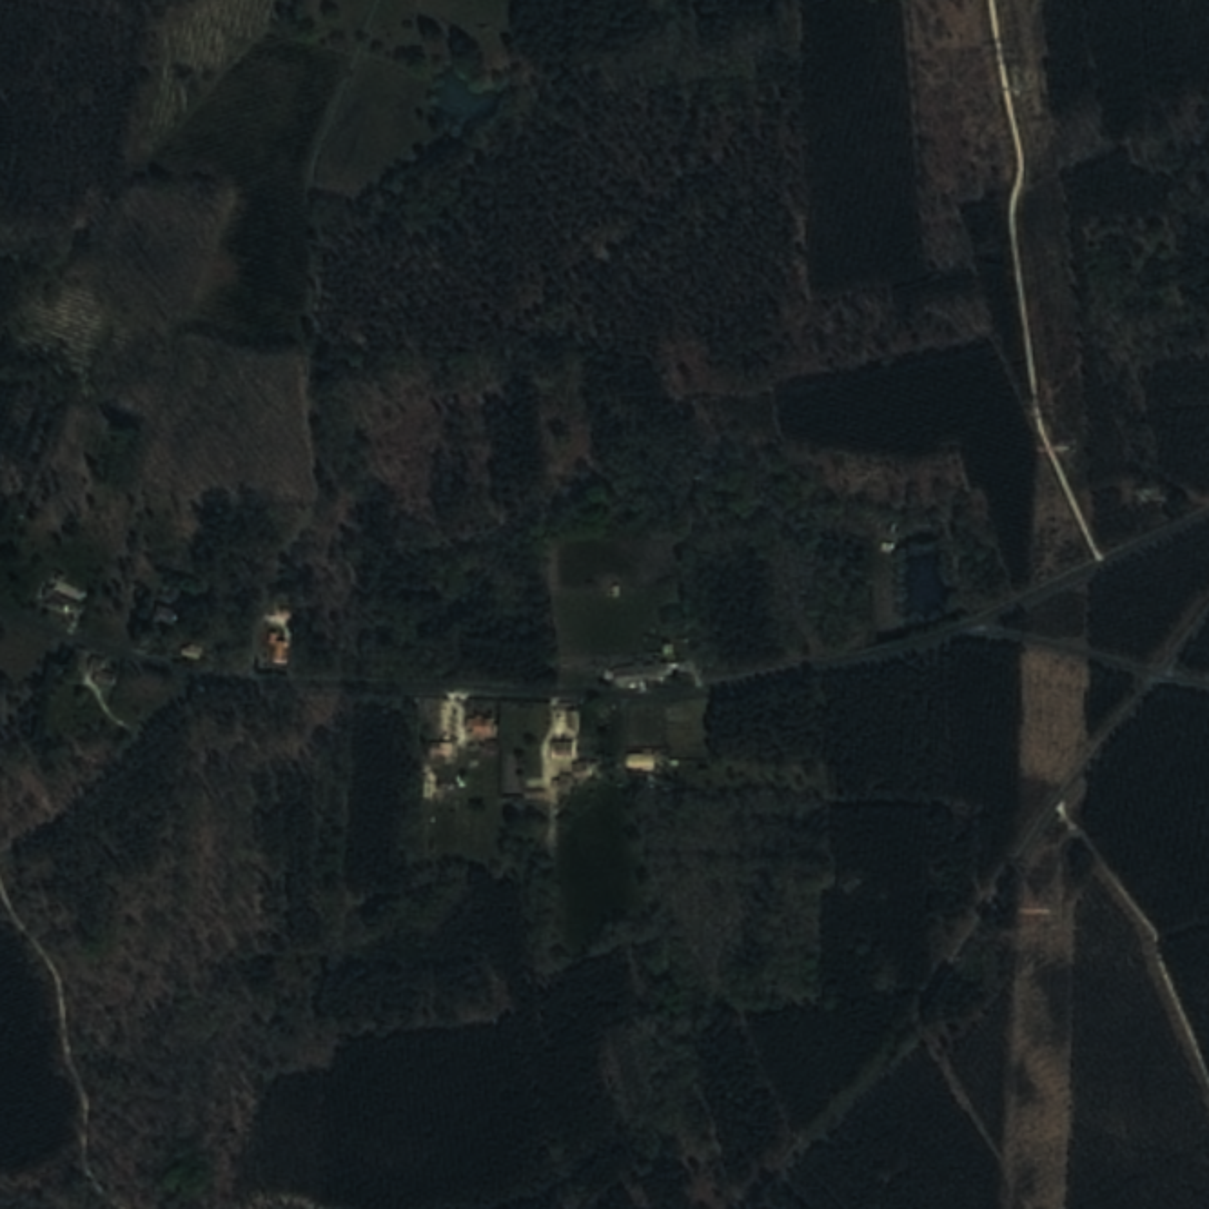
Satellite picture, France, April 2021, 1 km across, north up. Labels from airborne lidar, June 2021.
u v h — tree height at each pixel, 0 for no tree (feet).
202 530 20
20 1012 36
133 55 54
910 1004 34
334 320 51
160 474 81
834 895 29
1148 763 32
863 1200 31
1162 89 43
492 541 46
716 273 54
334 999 61
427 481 29
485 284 61
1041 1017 0
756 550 58
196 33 0
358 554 73
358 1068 36
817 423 37
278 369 82
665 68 55
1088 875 52
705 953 71
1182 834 31
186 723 46
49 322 0
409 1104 34
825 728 41
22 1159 36
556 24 66
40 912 28
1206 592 32
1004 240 36
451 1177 32
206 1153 41
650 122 63
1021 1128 0
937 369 35
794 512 49
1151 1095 32
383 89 0
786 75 59
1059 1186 0
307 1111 36
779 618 48
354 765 46
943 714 34
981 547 51
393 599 57
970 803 33
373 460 45
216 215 67
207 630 52
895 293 30
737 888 52
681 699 0
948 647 25
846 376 27
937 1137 34
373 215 68
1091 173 35
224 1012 72
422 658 54
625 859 0
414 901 39
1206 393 39
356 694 61
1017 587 32
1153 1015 26
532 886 54
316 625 53
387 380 54
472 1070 35
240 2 0
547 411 48
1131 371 25
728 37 50
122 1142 28
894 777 31
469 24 0
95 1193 61
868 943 41
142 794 57
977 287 30
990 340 23
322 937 56
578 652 0
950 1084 26
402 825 43
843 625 54
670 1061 64
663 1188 65
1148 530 31
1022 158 0
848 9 38
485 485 33
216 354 66
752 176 65
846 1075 27
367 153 0
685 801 50
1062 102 34
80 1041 31
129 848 49
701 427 50
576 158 64
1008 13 0
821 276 32
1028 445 31
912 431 37
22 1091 36
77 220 47
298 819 51
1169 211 35
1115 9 31
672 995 77
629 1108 69
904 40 28
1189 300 34
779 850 42
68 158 51
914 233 37
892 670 32
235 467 78
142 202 77
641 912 0
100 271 74
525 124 32
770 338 74
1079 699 0
